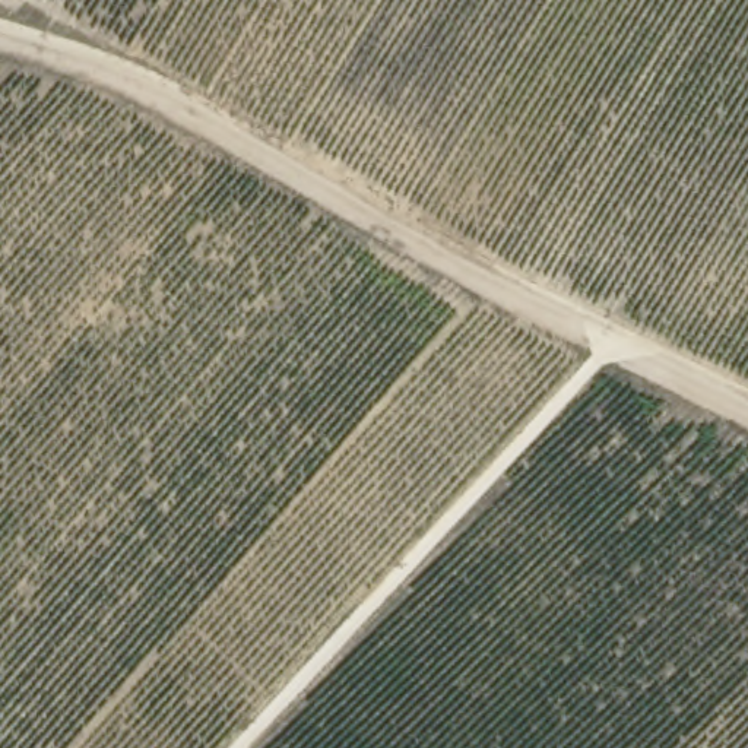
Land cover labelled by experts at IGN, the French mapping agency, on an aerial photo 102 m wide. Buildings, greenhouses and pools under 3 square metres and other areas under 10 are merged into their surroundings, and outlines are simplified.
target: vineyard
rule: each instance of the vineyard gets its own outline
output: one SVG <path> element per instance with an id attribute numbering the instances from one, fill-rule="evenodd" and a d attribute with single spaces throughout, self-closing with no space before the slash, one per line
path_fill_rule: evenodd
<path id="1" fill-rule="evenodd" d="M 462 237 L 488 245 L 505 263 L 526 266 L 546 278 L 570 278 L 570 289 L 590 301 L 619 295 L 625 298 L 625 316 L 634 327 L 652 330 L 669 345 L 684 348 L 692 356 L 710 359 L 716 365 L 725 365 L 748 380 L 748 0 L 0 0 L 0 20 L 23 23 L 102 50 L 108 56 L 146 67 L 164 79 L 172 79 L 184 94 L 199 94 L 210 105 L 228 111 L 234 120 L 248 123 L 248 129 L 272 146 L 286 143 L 292 134 L 301 134 L 307 143 L 316 143 L 324 155 L 348 164 L 351 169 L 368 175 L 386 190 L 406 196 L 412 205 L 432 213 L 441 225 L 450 225 Z"/>
<path id="2" fill-rule="evenodd" d="M 500 307 L 491 298 L 482 298 L 462 281 L 412 257 L 403 248 L 403 243 L 392 240 L 389 228 L 359 228 L 330 213 L 324 205 L 304 199 L 301 193 L 289 190 L 286 184 L 269 175 L 260 175 L 248 164 L 237 161 L 228 149 L 216 146 L 210 137 L 202 137 L 199 131 L 169 120 L 152 105 L 143 105 L 85 76 L 61 73 L 32 58 L 0 53 L 0 748 L 228 748 L 228 742 L 254 722 L 254 716 L 278 695 L 278 690 L 336 634 L 336 628 L 371 596 L 371 590 L 403 561 L 403 555 L 432 529 L 432 523 L 523 430 L 523 424 L 590 356 L 590 348 L 561 333 L 552 333 L 541 324 L 520 327 L 511 310 Z"/>
<path id="3" fill-rule="evenodd" d="M 289 704 L 289 710 L 263 733 L 263 739 L 254 748 L 748 748 L 748 427 L 730 418 L 716 418 L 710 409 L 675 392 L 666 392 L 619 365 L 605 365 L 584 386 L 584 392 L 573 397 L 567 409 L 514 459 L 514 465 L 491 485 L 491 491 L 453 526 L 453 532 L 438 543 L 432 558 L 386 599 L 386 605 L 365 622 L 362 634 L 345 649 L 345 655 L 298 701 Z"/>

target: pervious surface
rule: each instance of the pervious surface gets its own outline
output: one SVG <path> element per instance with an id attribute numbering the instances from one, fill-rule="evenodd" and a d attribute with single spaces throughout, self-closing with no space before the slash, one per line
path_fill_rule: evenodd
<path id="1" fill-rule="evenodd" d="M 143 105 L 152 105 L 169 120 L 199 131 L 202 137 L 210 137 L 216 146 L 228 149 L 237 161 L 248 164 L 260 175 L 269 175 L 286 184 L 289 190 L 301 193 L 304 199 L 324 205 L 330 213 L 359 228 L 389 228 L 392 240 L 403 243 L 403 248 L 412 257 L 462 281 L 482 298 L 491 298 L 500 307 L 511 310 L 520 327 L 541 324 L 552 333 L 561 333 L 590 348 L 590 356 L 523 424 L 523 430 L 432 523 L 432 529 L 403 555 L 403 561 L 371 590 L 371 596 L 336 628 L 336 634 L 278 690 L 278 695 L 254 716 L 254 722 L 228 742 L 228 748 L 254 748 L 263 739 L 263 733 L 289 710 L 289 704 L 298 701 L 345 655 L 345 649 L 362 634 L 365 622 L 386 605 L 386 599 L 432 558 L 438 543 L 453 532 L 453 526 L 491 491 L 491 485 L 514 465 L 514 459 L 567 409 L 573 397 L 584 392 L 584 386 L 605 365 L 619 365 L 666 392 L 675 392 L 710 409 L 716 418 L 730 418 L 748 427 L 748 380 L 725 365 L 716 365 L 710 359 L 692 356 L 684 348 L 669 345 L 652 330 L 634 327 L 625 316 L 625 298 L 619 295 L 590 301 L 570 289 L 570 278 L 546 278 L 526 266 L 505 263 L 488 245 L 462 237 L 450 225 L 441 225 L 432 213 L 412 205 L 406 196 L 386 190 L 368 175 L 351 169 L 348 164 L 324 155 L 316 143 L 307 143 L 301 134 L 292 134 L 286 143 L 272 146 L 248 129 L 248 123 L 234 120 L 228 111 L 210 105 L 199 94 L 184 94 L 172 79 L 164 79 L 146 67 L 108 56 L 102 50 L 23 23 L 0 20 L 0 53 L 32 58 L 61 73 L 85 76 Z"/>

